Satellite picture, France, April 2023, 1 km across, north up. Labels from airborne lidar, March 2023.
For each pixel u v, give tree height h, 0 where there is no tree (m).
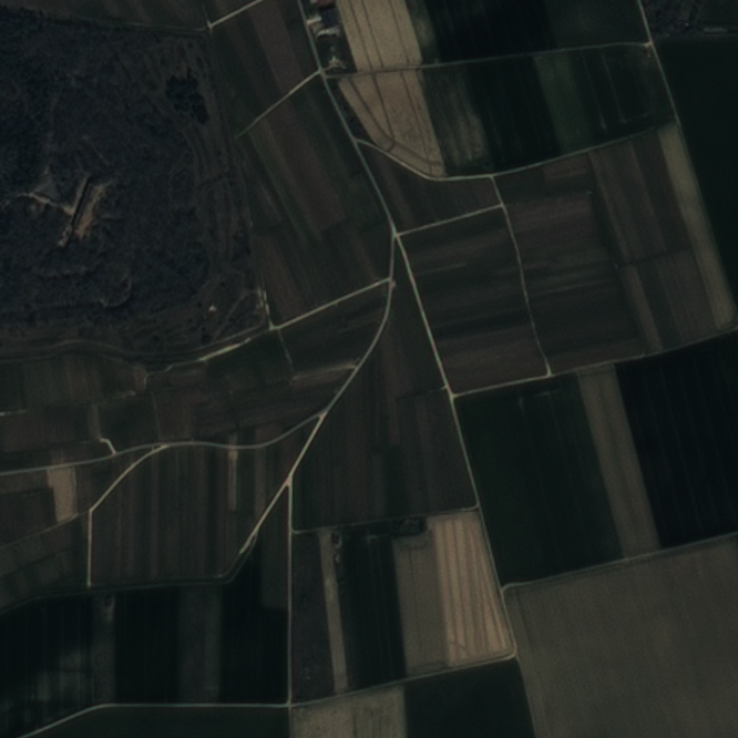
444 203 0
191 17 0
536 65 0
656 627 0
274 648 0
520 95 0
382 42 0
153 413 0
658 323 0
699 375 0
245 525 0
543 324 0
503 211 0
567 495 0
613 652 0
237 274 0
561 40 0
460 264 0
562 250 0
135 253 21
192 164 15
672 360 0
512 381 0
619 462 0
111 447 0
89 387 0
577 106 0
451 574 0
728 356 0
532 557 0
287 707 0
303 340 0
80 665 0
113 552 0
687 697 0
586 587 0
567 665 0
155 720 0
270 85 0
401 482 0
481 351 0
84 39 18
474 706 0
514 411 0
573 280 0
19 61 15
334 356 0
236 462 0
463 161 0
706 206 0
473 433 0
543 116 0
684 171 0
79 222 0
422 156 0
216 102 0
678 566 0
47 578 0
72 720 0
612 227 0
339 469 0
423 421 0
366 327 0
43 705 0
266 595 0
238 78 0
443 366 0
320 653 0
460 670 0
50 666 0
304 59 0
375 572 0
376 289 0
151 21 0
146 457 0
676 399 0
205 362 0
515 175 0
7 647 0
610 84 0
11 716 0
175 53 0
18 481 0
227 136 0
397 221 0
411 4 0
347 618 0
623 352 0
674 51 0
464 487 0
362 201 0
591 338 0
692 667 0
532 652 0
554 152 0
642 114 0
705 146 0
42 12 0
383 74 0
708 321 0
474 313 0
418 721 0
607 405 0
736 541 0
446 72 0
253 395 0
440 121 0
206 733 0
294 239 0
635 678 0
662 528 0
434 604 0
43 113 7
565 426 0
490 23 0
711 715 0
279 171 0
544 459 0
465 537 0
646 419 0
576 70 0
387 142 0
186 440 0
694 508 0
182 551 0
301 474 0
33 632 0
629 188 0
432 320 0
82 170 23
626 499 0
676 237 0
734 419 0
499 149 0
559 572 0
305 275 0
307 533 0
